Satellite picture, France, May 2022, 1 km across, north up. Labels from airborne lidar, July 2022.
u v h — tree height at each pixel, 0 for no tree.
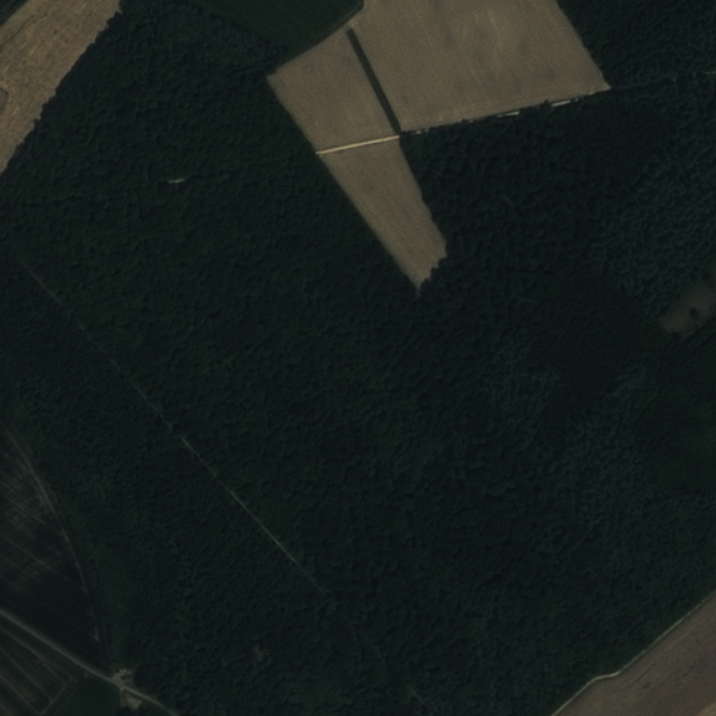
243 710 24
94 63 21
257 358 21
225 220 19
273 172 15
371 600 24
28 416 23
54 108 20
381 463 21
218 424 16
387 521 23
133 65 20
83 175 26
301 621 22
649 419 12
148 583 19
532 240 28
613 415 24
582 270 12
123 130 25
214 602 16
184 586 18
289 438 20
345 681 23
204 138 19
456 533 26
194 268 22
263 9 0
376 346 28
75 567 0
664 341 13
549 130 23
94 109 25
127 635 19
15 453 0
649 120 14
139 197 18
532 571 28
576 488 12
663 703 0
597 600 23
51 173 17
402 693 21
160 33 27
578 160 13
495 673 24
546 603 22
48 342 17
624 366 12
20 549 0
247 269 27
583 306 11
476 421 26
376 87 0
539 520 23
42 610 0
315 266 23
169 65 19
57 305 19
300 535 18
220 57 25
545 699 22
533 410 28
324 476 21
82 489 24
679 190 33
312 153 13
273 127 17
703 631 0
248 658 27
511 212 27
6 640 0
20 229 23
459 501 29
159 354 20
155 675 17
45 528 0
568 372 11
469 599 23
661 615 22
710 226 31
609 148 12
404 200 0
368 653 22
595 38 18
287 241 21
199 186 20
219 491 23
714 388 13
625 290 27
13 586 0
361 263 25
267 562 23
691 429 16
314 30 0
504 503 27
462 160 9
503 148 24
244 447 23
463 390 26
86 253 11
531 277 27
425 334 23
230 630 17
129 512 26
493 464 29
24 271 19
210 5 0
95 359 17
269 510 21
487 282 26
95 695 0
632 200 14
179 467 20
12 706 0
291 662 21
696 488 11
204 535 23
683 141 17
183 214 23
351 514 10
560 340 11
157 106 19
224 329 23
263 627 23
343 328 21
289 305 23
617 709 0
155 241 23
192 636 13
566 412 11
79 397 17
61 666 0
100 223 22
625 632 27
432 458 23
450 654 27
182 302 20
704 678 0
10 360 18
